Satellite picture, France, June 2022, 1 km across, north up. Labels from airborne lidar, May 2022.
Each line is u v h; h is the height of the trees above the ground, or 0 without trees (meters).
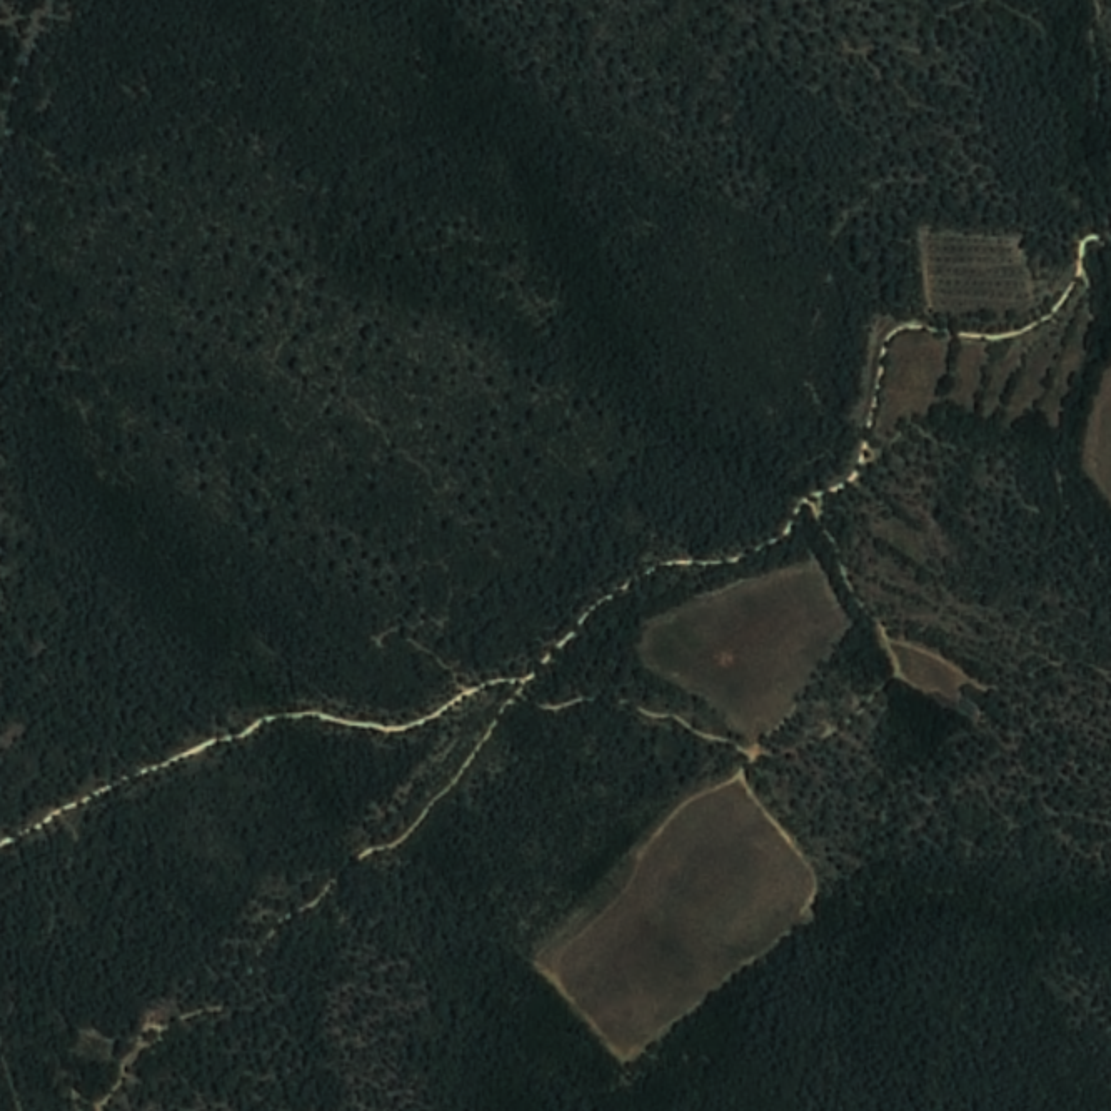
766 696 0
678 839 0
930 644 9
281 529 6
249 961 16
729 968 0
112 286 11
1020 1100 11
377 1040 15
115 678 14
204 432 6
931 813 17
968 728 11
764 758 8
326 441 7
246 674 8
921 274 7
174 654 13
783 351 6
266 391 12
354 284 8
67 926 14
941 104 12
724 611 0
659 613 12
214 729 16
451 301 8
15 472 11
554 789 7
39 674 10
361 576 15
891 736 6
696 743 11
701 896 0
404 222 15
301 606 6
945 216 17
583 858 6
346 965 12
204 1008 9
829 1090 10
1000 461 11
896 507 9
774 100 18
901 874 11
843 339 11
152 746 12
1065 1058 15
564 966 0
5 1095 6
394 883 13
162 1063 16
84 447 6
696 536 7
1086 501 18
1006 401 11
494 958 17
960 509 7
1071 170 9
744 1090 9
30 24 6
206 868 11
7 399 19
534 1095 15
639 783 12
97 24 6
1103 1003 13
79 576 16
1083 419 13
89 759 13
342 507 6
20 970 12
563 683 13
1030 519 12
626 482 16
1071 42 12
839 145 15
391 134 9
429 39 14
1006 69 20
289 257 16
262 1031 16
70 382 9
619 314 16
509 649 7
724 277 7
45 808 13
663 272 6
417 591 10
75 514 12
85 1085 8
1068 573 9
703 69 7
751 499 18
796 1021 17
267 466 14
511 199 9
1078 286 9
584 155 6
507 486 6
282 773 13
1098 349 17
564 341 12
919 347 0
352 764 13
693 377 7
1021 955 7
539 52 5
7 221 15
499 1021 13
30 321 14
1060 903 9
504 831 8
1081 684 6
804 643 0
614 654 18
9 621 6
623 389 17
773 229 6
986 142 15
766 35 16
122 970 13
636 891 0
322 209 15
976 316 8
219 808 8
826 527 10
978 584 6
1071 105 14
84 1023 19
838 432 18
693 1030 14
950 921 16
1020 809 7
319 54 8
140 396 7
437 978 15
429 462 9
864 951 11
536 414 16
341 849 14
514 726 6
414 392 6
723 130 15
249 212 18
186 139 10
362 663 10
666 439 12
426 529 5
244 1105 14
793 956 7
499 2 15
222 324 15
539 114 7
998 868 11
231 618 9
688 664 0
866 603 14
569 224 11
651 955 0
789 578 0
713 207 6
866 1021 16
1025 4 11
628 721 8
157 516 7
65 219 7
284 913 14
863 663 15
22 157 16
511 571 7
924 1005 6
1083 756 8
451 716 6
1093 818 19
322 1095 17
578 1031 10
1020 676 7
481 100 11
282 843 6
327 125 7
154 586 12
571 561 18
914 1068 5
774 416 6
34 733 11
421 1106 17
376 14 13
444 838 13
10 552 16
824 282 6
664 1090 12
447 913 17
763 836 0
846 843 6
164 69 6
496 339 13
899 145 15
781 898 0
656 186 7
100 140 13
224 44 9
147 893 8
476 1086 10
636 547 8
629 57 15
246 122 7
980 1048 14
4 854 7
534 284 7
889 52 18
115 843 17
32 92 12
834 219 16
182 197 6
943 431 9
